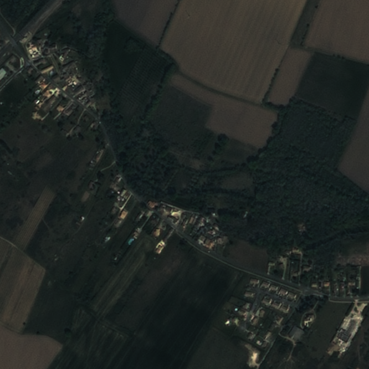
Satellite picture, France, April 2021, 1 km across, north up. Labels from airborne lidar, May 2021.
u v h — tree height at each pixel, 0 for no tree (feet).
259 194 72
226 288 0
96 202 0
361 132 0
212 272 0
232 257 0
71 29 0
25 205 0
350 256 0
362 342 0
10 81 0
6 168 0
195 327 0
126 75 0
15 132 0
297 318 0
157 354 0
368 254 0
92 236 0
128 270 0
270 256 46
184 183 0
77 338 0
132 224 29
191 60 0
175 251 0
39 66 29
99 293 0
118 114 56
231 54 0
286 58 0
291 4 0
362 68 0
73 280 0
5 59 0
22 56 0
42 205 0
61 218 0
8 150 39
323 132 44
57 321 0
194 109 0
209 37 0
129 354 0
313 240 65
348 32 0
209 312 0
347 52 0
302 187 69
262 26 0
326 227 61
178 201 0
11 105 0
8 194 0
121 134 61
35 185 0
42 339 0
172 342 0
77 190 0
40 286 0
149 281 0
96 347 0
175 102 0
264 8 0
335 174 52
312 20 0
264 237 70
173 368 0
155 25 0
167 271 0
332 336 0
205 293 0
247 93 0
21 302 0
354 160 0
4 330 0
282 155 36
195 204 43
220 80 0
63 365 0
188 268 0
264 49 0
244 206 25
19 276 0
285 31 0
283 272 0
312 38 0
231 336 0
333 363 0
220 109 0
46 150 0
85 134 0
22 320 0
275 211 80
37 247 0
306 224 61
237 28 0
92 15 0
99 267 0
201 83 0
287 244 52
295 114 54
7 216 0
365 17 0
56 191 0
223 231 47
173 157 25
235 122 0
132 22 0
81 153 0
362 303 0
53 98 0
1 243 0
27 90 0
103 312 0
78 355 0
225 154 0
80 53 24
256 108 0
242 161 0
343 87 0
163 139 27
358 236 28
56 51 31
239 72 0
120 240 0
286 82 0
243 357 0
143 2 0
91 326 0
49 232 0
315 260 54
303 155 39
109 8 28
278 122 37
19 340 0
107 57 0
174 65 55
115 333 0
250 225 64
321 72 0
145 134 82
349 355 0
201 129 0
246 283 0
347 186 43
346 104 0
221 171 39
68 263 0
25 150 0
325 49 0
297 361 0
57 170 0
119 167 56
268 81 0
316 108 25
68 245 0
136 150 78
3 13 37
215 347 0
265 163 60
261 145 0
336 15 0
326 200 73
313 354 0
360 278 0
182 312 0
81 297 42
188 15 0
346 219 94
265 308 0
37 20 0
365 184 0
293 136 53
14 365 0
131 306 0
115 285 0
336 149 52
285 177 66
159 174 60
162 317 0
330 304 0
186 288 0
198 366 0
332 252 49
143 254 0
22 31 0
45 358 0
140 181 83
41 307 0
